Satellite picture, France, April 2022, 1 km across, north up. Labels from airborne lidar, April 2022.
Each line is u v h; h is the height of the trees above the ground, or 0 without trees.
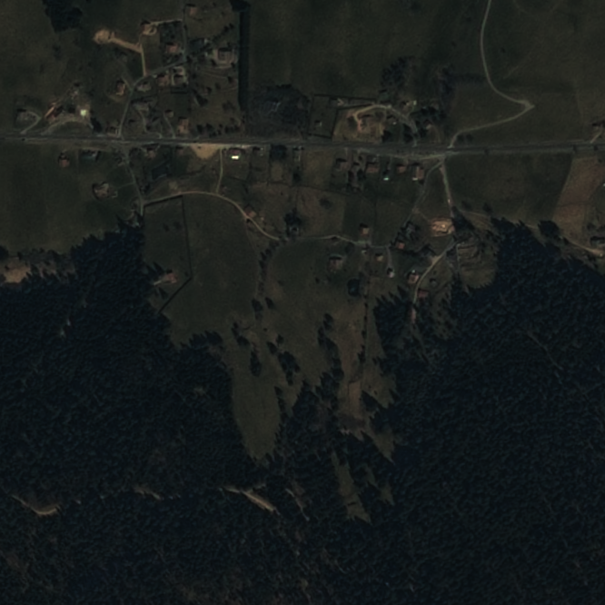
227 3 0
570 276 34
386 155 0
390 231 0
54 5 16
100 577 11
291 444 10
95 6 0
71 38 0
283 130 9
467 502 28
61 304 27
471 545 37
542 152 0
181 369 14
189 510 20
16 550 9
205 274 0
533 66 0
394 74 15
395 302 0
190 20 0
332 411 11
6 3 0
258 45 0
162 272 17
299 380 0
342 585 33
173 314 0
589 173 0
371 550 42
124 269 21
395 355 28
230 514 32
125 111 0
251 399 0
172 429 11
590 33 0
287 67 0
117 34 0
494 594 30
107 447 17
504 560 31
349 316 0
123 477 37
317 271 0
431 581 39
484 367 9
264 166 0
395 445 0
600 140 0
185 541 10
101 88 0
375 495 14
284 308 0
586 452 25
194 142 0
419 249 0
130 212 0
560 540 13
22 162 0
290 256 0
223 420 6
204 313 0
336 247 0
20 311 22
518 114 0
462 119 0
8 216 0
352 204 0
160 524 15
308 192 0
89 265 24
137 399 16
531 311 12
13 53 0
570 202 0
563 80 0
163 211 0
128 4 0
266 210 0
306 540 7
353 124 17
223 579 13
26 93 0
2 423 20
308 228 0
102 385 15
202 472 16
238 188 0
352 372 0
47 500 14
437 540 31
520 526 33
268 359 0
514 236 23
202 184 0
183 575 34
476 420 33
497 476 32
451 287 0
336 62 0
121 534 35
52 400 7
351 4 0
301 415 24
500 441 29
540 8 0
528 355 8
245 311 0
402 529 7
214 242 0
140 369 18
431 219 0
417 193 0
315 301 0
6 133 0
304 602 33
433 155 0
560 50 0
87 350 21
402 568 34
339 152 0
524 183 0
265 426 0
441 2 0
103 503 39
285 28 0
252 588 9
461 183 0
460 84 19
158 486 17
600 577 7
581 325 21
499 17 0
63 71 0
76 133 0
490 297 23
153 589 32
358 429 0
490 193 0
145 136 0
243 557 35
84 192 0
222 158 0
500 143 0
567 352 7
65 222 0
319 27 0
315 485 9
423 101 0
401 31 0
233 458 15
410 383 21
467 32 0
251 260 0
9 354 27
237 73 0
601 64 0
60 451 35
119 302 21
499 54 0
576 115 0
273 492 15
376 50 0
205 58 11
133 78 0
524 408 19
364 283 10
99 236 0
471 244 0
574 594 18
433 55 0
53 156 0
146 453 19
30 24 0
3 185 0
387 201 0
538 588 36
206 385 23
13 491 39
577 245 0
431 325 15
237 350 0
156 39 0
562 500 30
